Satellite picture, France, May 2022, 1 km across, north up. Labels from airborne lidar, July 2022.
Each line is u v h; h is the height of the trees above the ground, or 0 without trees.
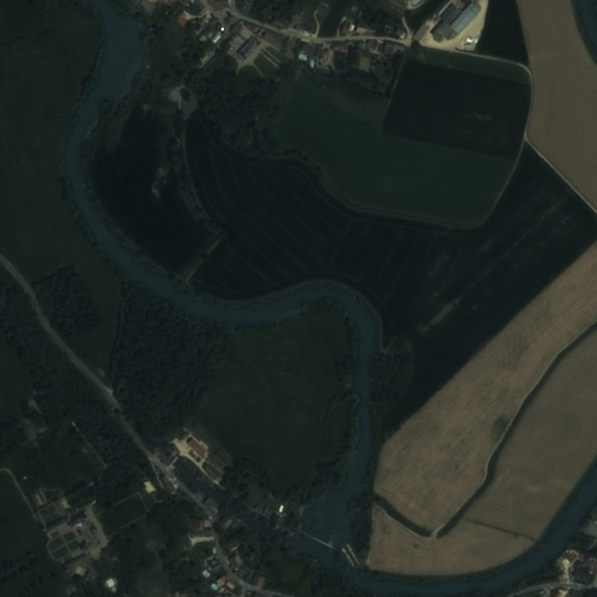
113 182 0
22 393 0
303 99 0
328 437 0
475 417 0
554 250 0
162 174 0
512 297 0
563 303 0
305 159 8
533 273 0
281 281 0
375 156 0
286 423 0
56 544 0
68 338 11
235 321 0
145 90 11
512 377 0
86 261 0
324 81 0
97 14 9
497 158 0
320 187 0
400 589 0
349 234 0
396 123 0
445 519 0
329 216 0
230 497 10
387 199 0
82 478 0
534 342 0
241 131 28
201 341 23
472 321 0
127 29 0
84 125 0
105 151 0
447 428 0
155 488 7
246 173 0
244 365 0
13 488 0
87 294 12
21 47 0
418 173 0
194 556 0
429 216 0
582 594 0
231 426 0
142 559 0
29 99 0
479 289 0
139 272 0
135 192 0
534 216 0
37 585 19
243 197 0
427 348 0
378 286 0
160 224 0
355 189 0
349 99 0
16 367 0
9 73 0
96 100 0
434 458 0
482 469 0
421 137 0
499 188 0
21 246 0
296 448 0
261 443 0
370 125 0
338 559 16
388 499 0
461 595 10
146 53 0
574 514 0
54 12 0
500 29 0
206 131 0
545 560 0
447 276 0
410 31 0
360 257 0
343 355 0
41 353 22
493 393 0
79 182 0
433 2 0
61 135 0
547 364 0
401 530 0
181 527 15
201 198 0
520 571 0
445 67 0
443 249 0
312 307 9
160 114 0
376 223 0
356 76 28
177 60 0
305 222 0
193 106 0
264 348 0
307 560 14
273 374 0
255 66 0
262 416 0
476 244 0
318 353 0
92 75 7
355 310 0
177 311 31
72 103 0
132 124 0
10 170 0
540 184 0
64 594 0
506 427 0
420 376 0
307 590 0
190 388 19
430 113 0
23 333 26
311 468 0
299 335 0
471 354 0
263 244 0
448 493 0
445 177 0
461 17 0
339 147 0
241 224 0
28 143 0
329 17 0
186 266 0
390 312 0
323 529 0
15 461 0
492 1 0
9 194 0
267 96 23
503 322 0
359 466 0
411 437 0
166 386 25
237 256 0
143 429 23
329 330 0
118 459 25
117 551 11
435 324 0
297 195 0
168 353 16
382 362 21
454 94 0
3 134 0
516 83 0
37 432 0
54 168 0
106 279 0
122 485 19
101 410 9
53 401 27
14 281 8
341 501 0
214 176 0
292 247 0
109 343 0
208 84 20
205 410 0
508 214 0
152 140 0
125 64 0
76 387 27
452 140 0
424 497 0
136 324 20
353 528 16
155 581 0
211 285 0
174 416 20
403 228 0
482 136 0
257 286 0
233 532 7
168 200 0
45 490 0
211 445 0
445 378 0
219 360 14
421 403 0
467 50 0
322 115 0
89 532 0
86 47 0
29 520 0
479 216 0
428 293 0
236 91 23
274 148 27
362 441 0
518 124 0
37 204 0
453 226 0
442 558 0
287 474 0
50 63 0
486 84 0
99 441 7
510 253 0
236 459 9
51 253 0
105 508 19
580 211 0
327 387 0
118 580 8
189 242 0
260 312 0
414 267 0
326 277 0
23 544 0
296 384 0
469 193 0
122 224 0
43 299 9
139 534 0
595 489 0
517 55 0
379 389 18
